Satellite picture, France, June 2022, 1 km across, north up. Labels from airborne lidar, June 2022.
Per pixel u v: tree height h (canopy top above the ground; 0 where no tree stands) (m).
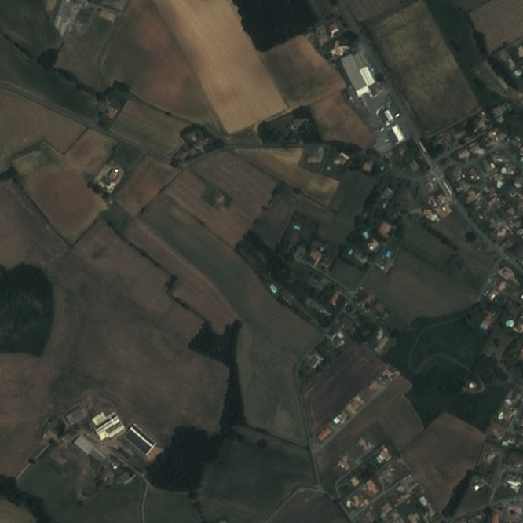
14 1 0
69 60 0
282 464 0
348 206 0
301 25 18
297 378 0
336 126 0
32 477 0
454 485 0
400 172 0
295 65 0
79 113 0
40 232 0
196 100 0
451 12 0
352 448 0
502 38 0
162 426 0
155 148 0
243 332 0
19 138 0
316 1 0
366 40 0
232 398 20
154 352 0
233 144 0
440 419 0
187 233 0
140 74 0
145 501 0
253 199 0
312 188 0
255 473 0
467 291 0
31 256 0
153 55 0
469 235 14
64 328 0
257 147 0
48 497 0
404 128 0
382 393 0
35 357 0
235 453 0
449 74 0
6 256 0
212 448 25
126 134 0
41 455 0
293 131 11
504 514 0
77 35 0
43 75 0
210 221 0
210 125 0
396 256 0
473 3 0
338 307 8
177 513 0
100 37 0
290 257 13
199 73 0
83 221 0
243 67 0
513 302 7
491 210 0
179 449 23
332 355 0
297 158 0
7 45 0
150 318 0
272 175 0
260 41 16
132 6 0
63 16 0
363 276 0
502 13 0
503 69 16
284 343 0
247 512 0
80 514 0
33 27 0
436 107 0
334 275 0
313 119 7
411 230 0
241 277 0
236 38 0
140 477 0
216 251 0
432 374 7
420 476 0
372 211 6
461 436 0
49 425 0
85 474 0
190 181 0
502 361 7
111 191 0
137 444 0
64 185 0
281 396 0
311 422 0
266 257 7
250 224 0
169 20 0
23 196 0
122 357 0
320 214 0
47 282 15
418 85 0
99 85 0
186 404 0
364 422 0
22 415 0
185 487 16
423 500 0
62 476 0
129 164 0
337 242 0
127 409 0
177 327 0
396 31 0
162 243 0
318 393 0
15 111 0
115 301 0
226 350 7
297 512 0
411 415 0
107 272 0
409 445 0
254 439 0
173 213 0
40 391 0
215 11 0
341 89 0
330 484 0
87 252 0
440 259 0
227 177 0
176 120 0
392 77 0
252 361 0
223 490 0
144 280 0
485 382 11
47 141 0
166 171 0
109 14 0
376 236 7
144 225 0
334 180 0
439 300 0
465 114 0
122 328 0
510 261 0
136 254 0
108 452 0
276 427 0
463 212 0
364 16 0
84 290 0
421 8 0
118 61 0
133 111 0
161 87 0
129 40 0
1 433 0
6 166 0
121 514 0
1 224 0
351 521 6
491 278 0
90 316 0
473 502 0
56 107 0
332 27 0
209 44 0
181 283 0
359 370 0
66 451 0
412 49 0
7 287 12
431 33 0
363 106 0
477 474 11
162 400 0
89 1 8
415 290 0
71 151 0
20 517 0
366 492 0
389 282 0
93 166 0
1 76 0
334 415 0
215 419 0
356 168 10
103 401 0
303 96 0
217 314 0
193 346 12
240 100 0
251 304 0
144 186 0
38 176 0
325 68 0
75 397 0
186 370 0
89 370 0
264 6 22
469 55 0
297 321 0
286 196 0
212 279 0
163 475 22
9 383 0
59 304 0
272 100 0
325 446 0
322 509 0
